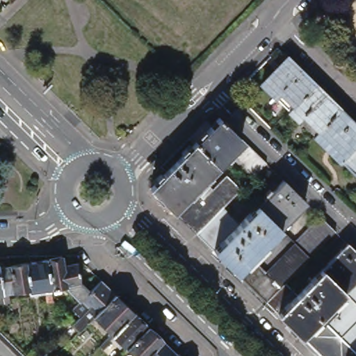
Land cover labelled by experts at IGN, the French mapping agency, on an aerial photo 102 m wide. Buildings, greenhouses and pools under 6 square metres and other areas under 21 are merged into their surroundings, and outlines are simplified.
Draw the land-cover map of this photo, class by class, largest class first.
<instances>
[{"label":"impervious surface","instance_id":"1","mask_svg":"<svg viewBox=\"0 0 356 356\"><path fill-rule=\"evenodd\" d=\"M28 3V0H0V29L10 26L8 21L19 8ZM83 0H65L78 43L72 47H54L53 50L54 53L76 54L85 58L82 76H88L92 81H129V71H136L138 68L136 61L127 63L125 60H117L108 53H97L90 49L83 38L82 29L88 22L89 11L85 4H82ZM327 11L321 6V0H264L193 72L191 82L192 97L184 114L175 115L172 120H164L150 111L138 127L115 128V131L108 132L106 136H97L79 120L71 107L51 92L50 83L53 79L47 78L43 81L29 75L26 72L25 57L24 49H15L0 42V138H13L15 156L31 168V177L39 178V192H36L35 200L28 210L0 211V266H22L31 261L53 260L58 256L65 257L67 264L83 260L88 273L82 275V285L90 292L99 282H106L111 291L115 292L121 302L131 309L143 324L149 325L164 339L165 345L159 356H239L234 343L225 341L222 335H218L217 325L196 314L188 299L179 295L174 286L165 284L159 271L153 270L145 257L140 256L135 248L129 245L128 242L135 232L140 231L147 232L154 241L163 243L167 248L168 257L182 264L186 273L195 278L200 285L213 289L217 293L218 303L224 306L232 320L241 324L246 334L257 339L261 345L270 346L275 356H318L320 350L300 338L286 321L282 320V286L278 282L268 280L267 271L261 266L245 278L235 277L231 268L221 263V252L227 248L229 236L238 231L245 218L252 217L254 220L259 210L264 211L278 227H285V214L267 199L268 193L277 192L282 184L291 186L293 191L302 197L303 202L309 204V209L306 210V227L327 221L334 228L339 222L345 228L337 235L345 245L356 248V182H349L346 186L337 185L338 172L330 163L331 157L330 153L324 150L323 165L330 171L332 178L325 181L311 174L309 168L298 157L292 156V147L288 146V143H281L267 131L271 128L270 124L263 120L254 108L248 111L239 107L232 100L231 86L243 79H250L253 83L261 85L286 58H292L356 122V82L348 81L323 50L318 47H306V43L300 39L299 29L317 26L320 15ZM217 120L224 121L225 125L245 140L246 145L264 160V167L253 168L252 171L257 178L264 181L263 188L257 189L246 199L238 197L229 204L227 210H218L206 225L196 231L191 225L185 224L181 217H175L171 210L167 209L153 188L159 186L160 179L170 174L171 168L182 160L186 153L193 152L196 147L202 145V138L209 133V129H217ZM92 178H103L111 185L110 197L96 206H92L81 196L83 179L90 181ZM274 117L280 115L281 110H286L289 114L293 113V108L289 107L285 99H270V103ZM93 346L95 349H106L107 356H125L120 349V343L111 342L103 335Z\"/></svg>","mask_w":356,"mask_h":356},{"label":"building","instance_id":"2","mask_svg":"<svg viewBox=\"0 0 356 356\"><path fill-rule=\"evenodd\" d=\"M270 99H285L289 107L293 108V113L289 114L298 124L309 125L310 132H317L316 142L324 150L330 153L331 157L350 172L356 171V122L292 58H286L261 85ZM241 164L246 171H252L253 168L264 167V160L246 145L245 140L225 125L224 121L217 120V129H209V133L202 138V145L196 147L193 152L186 153L182 160L171 168L170 174L160 179L159 186L153 188L167 209L171 210L175 217H181L185 224L191 225L196 231L206 225L218 210H227L229 204L238 197V184L231 178L229 168ZM267 199L285 214V227H278L264 211L259 210L254 220L252 217L245 218L238 231L229 236L227 248L221 252V263L231 268L235 277L245 278L261 266L267 271L268 280L278 282L282 286V320L286 321L300 338L320 350L318 356H356V248L345 245L337 235L345 228L339 222L334 228L327 221L306 227V210L309 209V204L303 202L302 197L293 191L291 186L282 184L277 192L268 193ZM88 273L83 260L67 264L65 257L58 256L53 260L31 261L22 266H0V305H4L10 296H31L32 299H39L44 296L47 303H53L54 296H70V298L74 299L76 302V305L74 306V313L71 314L75 330L82 335L89 324L103 335L111 342L120 343V349L125 356H159L165 345L164 339L149 325L143 324L131 309L121 302L115 292L111 291L106 282H99L90 292L82 285V275Z\"/></svg>","mask_w":356,"mask_h":356},{"label":"herbaceous vegetation","instance_id":"3","mask_svg":"<svg viewBox=\"0 0 356 356\"><path fill-rule=\"evenodd\" d=\"M146 38L150 39V42L157 44L153 50L147 51V46L133 35L131 29L117 15L104 8L100 0H83L82 4H85L89 11L88 22L82 29L83 38L90 49L97 53H108L117 60H125L127 63L136 61L138 68L136 71H129V81L127 104L117 111V115L114 118H95V111L85 108L79 97L82 76L85 58L76 54L54 53L53 50L54 47H72L78 43L65 0H28V3L19 8L8 21L10 26H22L21 40L15 49H24L25 57H29L33 51H38L43 65L54 60L53 79L50 83L51 92L71 107L79 120L97 136H106L108 132L115 131V128L138 127L150 111L138 102L136 95V75H143L142 72L147 65L165 61L168 67H177L179 71L185 72L182 79L191 82L193 72L191 58L203 50L250 0H111ZM0 156L6 157V163L14 164L6 177L3 196L6 203L0 206V211L28 210L35 200L36 192H39V178L31 177V168L15 156L13 138H0ZM330 163L338 172L337 185L346 186L349 182H356V171L350 172L331 157Z\"/></svg>","mask_w":356,"mask_h":356},{"label":"deciduous trees","instance_id":"4","mask_svg":"<svg viewBox=\"0 0 356 356\"><path fill-rule=\"evenodd\" d=\"M321 6L327 11L320 15L317 26L299 29L300 39L306 43V47H318L323 50L348 81L356 82V0H321ZM54 60L43 65L38 51H33L29 57H25L26 72L29 75L43 81L47 78L53 79ZM143 75H136V95L138 102L150 111L164 120H172L175 115L184 114L192 97L191 82L182 79L185 72L179 71L177 67H168L165 61L147 65L142 72ZM129 81H92L88 76H82L79 97L85 108L95 111V118H114L117 115V111L127 104ZM232 100L239 107L248 111L254 108L260 103H270V99L261 85L253 83L250 79H243L231 86ZM14 164L6 163V157L0 156V206L6 203L3 196L6 177ZM231 178L238 184V197L246 199L257 189L263 188L264 181L257 178L252 171H246L241 164L229 168ZM111 185L103 178H92L90 181L83 179L81 196L92 206H96L110 197ZM129 245L135 248L140 256L145 257L153 270L159 271L165 284L174 286L179 295L188 299L196 314L217 325L218 335H222L225 341L234 343L239 356H275L270 346L261 345L257 339L246 334L241 324L232 320L224 306L218 303L217 293L213 289L200 285L195 278L186 273L182 264L168 257L167 248L163 243L154 241L147 232L140 231L135 232L128 242ZM53 303L54 305L63 306L64 309L71 314L74 313V306L76 305V302L74 299L70 298V296H54ZM15 317H18L17 309H10L4 305H0V332L10 330ZM68 331L67 327L40 325L39 331L22 349H33L38 356H72L61 348L58 342Z\"/></svg>","mask_w":356,"mask_h":356},{"label":"brushwood","instance_id":"5","mask_svg":"<svg viewBox=\"0 0 356 356\"><path fill-rule=\"evenodd\" d=\"M104 8L117 15L131 29L133 35L147 46V51L153 50L157 44L150 42V39L146 38L111 0H100ZM264 0H250L203 50L191 58L193 72ZM22 26H10L0 29V42L15 49L21 40ZM263 120L270 124L271 128L267 131L281 143H288V146L292 147V156L298 157L309 168L311 174L325 181L332 178L330 171L323 165L324 150L316 142L317 132H310L309 125L298 124L289 114L286 110H281L280 115L274 117L270 103H260L254 108ZM10 309H17L18 317H15L10 330L0 332V356H38L33 349H22L39 331L40 325L67 327L68 331L58 342L61 348L72 356H107L106 349H95L93 346L103 335L89 324L82 335L75 330L71 314L64 309L63 306L54 305L53 303H47L44 296L39 299H32L31 296H10L4 305Z\"/></svg>","mask_w":356,"mask_h":356}]
</instances>
